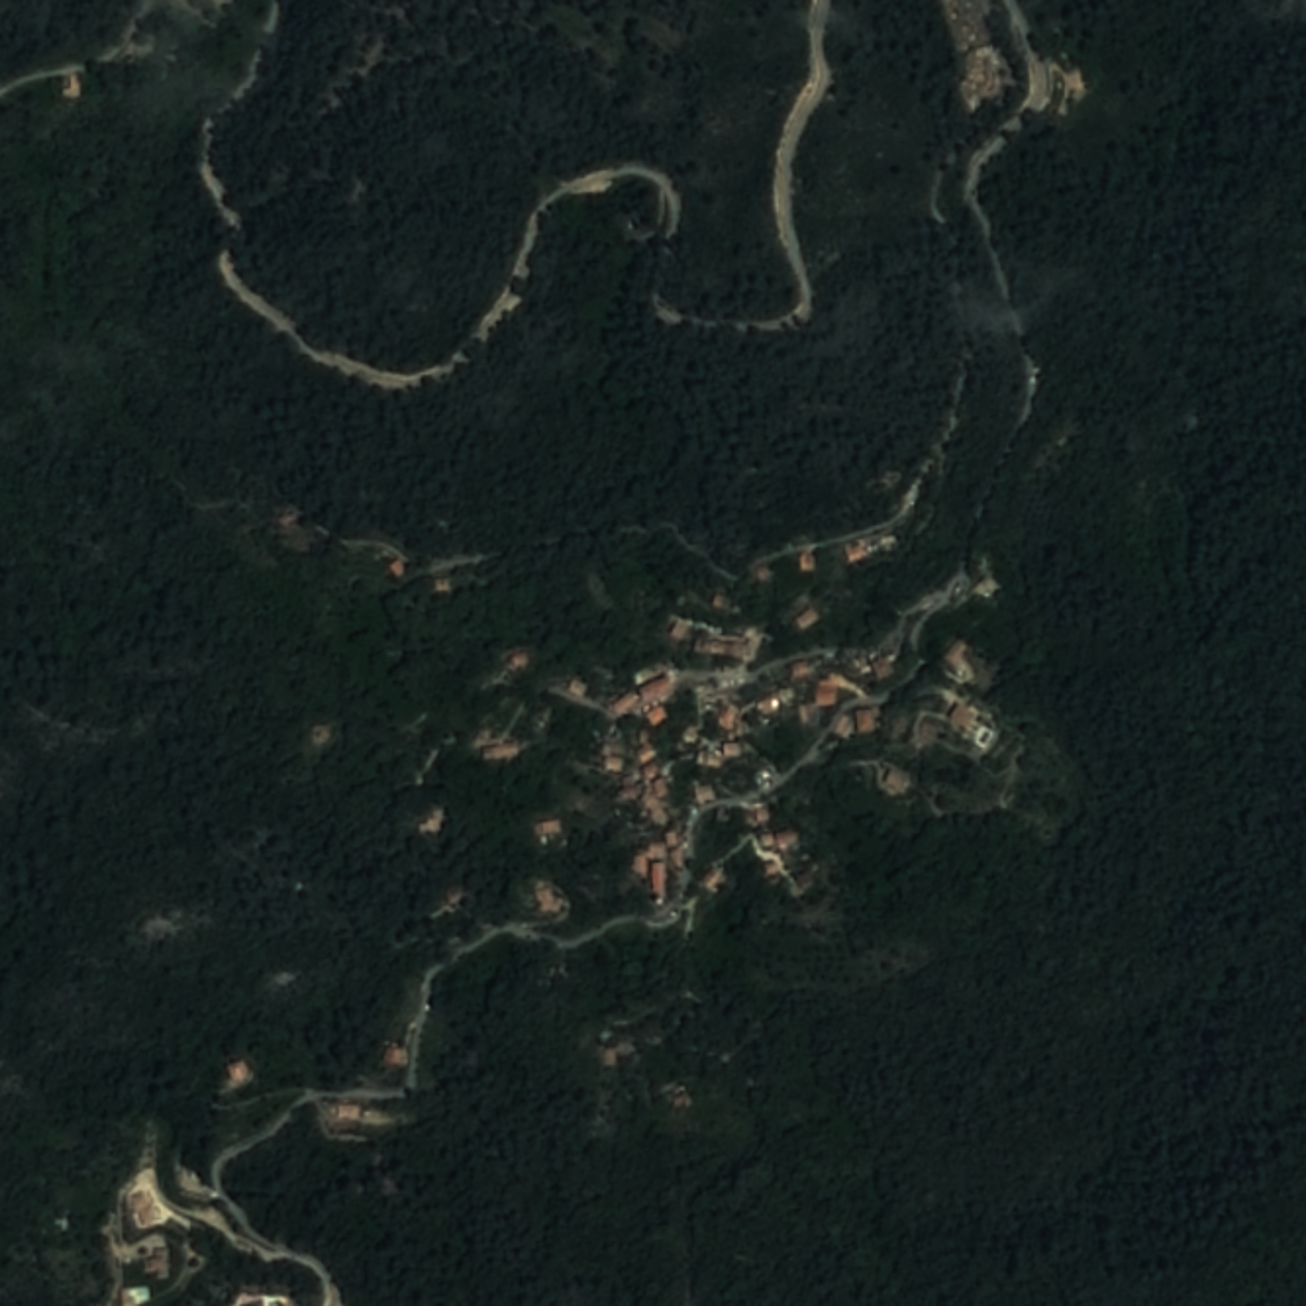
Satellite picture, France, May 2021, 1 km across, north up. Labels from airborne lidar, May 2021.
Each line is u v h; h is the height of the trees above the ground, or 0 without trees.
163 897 7
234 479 6
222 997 12
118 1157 9
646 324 24
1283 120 12
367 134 22
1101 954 14
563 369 6
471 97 10
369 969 7
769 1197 13
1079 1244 10
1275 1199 8
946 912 16
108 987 7
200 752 17
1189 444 14
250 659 17
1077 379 11
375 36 23
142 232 17
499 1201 14
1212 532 25
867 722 0
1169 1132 13
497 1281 14
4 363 11
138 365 13
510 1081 10
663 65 15
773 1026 14
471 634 16
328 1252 14
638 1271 10
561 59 18
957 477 10
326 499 17
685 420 24
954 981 11
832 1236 20
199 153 14
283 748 15
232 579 12
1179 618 16
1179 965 7
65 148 7
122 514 18
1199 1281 7
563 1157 14
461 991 14
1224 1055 26
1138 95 24
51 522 10
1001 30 18
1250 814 18
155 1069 7
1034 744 6
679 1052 15
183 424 9
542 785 11
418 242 22
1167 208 21
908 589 8
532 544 13
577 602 13
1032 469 17
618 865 10
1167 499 8
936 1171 6
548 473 9
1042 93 0
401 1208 9
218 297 6
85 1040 10
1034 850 15
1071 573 13
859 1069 10
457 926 10
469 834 20
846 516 7
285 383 8
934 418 22
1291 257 7
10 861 14
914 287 26
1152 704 15
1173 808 14
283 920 23
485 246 15
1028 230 13
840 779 12
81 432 12
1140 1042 20
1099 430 23
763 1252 15
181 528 16
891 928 14
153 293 12
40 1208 12
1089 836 19
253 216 14
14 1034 11
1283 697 20
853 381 23
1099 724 18
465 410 20
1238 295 21
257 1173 18
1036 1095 23
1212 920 24
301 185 13
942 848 10
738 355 24
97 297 14
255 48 0
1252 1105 9
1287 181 11
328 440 20
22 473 13
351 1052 17
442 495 18
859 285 7
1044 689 10
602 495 13
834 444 20
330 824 16
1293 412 14
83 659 9
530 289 18
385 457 19
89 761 11
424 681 19
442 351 6
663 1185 9
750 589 10
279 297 15
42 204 6
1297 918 10
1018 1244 11
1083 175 18
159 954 9
